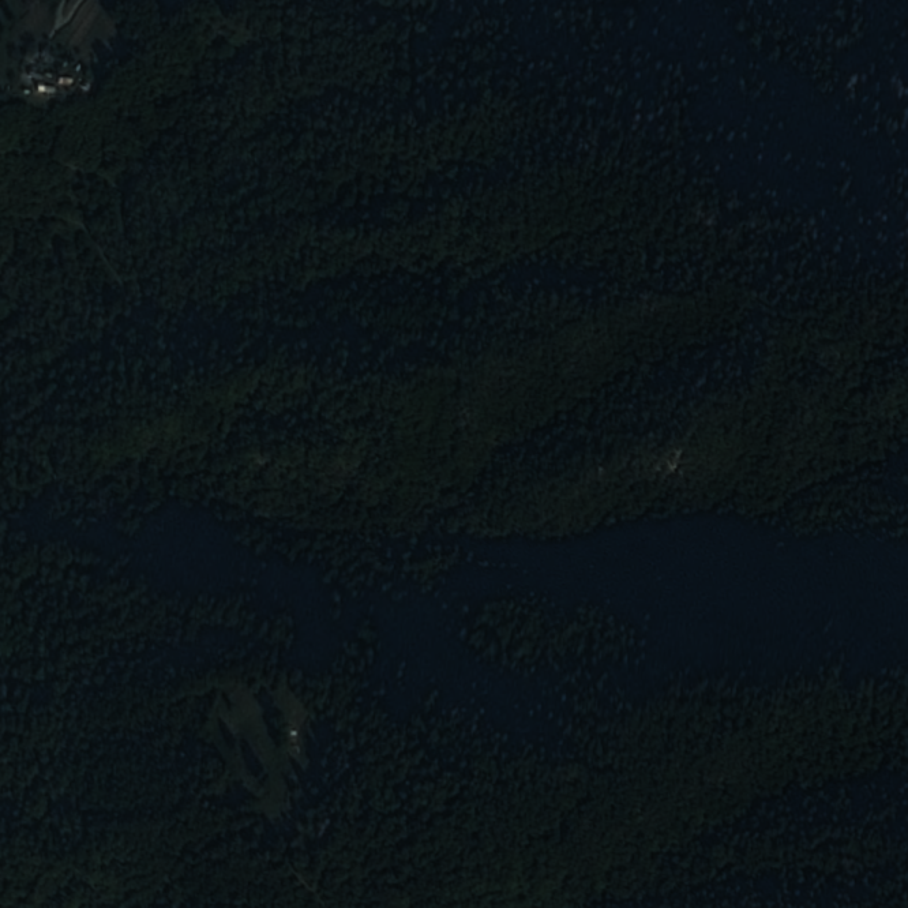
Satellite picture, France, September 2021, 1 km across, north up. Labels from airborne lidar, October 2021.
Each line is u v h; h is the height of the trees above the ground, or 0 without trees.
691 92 33
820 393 21
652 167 26
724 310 35
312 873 28
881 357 30
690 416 21
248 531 31
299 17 24
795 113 32
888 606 30
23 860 25
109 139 28
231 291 32
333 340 31
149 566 37
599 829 28
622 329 23
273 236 33
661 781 24
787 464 21
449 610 27
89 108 22
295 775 0
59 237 10
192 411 14
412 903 22
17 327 27
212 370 27
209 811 28
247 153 29
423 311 29
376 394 19
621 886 21
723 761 21
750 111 23
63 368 27
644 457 18
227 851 29
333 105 32
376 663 15
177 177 26
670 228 20
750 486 27
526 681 20
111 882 12
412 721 34
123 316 27
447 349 28
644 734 24
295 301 23
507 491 25
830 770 28
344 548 21
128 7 27
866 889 28
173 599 32
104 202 31
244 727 0
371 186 23
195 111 26
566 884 21
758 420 27
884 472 24
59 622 26
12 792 25
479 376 15
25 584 12
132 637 28
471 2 14
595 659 24
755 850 29
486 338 21
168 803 27
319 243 17
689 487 26
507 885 22
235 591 33
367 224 25
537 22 24
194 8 25
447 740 24
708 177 28
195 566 8
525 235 17
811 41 31
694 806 23
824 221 39
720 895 29
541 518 18
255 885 31
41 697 15
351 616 23
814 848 30
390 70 21
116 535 36
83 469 22
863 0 12
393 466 27
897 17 27
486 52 27
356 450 21
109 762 24
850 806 22
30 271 26
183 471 12
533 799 23
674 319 29
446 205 25
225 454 20
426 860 23
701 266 29
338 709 22
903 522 27
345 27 23
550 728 26
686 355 29
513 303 15
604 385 18
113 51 0
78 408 22
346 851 21
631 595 29
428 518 11
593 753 25
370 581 20
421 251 29
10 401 27
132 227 24
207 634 26
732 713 30
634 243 21
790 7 24
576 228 23
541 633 17
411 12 17
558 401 28
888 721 20
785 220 33
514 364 18
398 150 20
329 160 19
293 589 9
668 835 30
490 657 28
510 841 21
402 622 20
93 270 9
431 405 16
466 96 11
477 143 27
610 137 23
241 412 26
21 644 28
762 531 29
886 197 44
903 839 26
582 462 30
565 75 25
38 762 19
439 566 21
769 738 19
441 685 29
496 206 22
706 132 20
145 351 30
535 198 19
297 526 19
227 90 30
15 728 26
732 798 25
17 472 24
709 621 30
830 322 27
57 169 18
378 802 25
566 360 25
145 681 31
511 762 21
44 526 27
